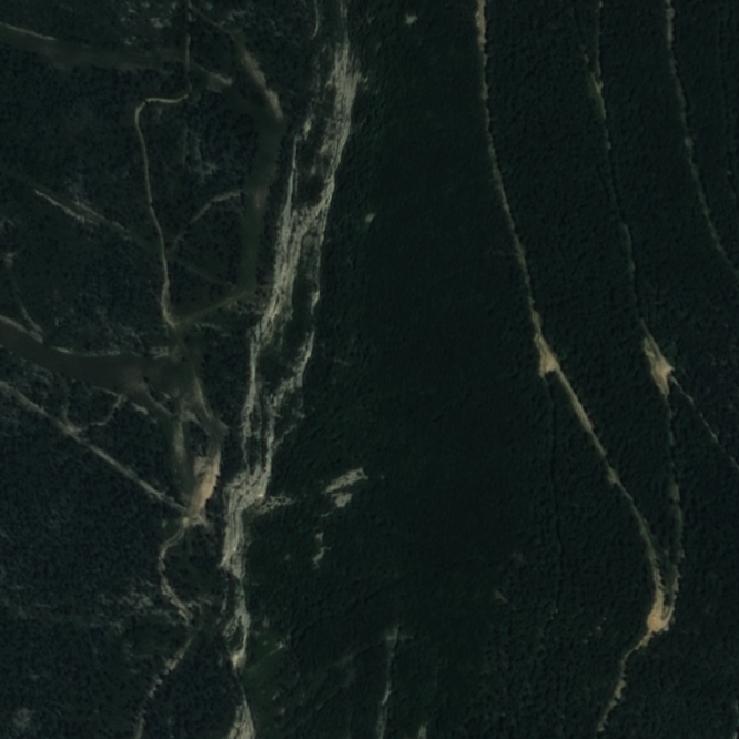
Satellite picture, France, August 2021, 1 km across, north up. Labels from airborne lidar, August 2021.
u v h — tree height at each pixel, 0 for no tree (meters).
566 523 19
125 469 0
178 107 7
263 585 6
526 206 21
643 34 22
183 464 0
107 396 6
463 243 26
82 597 8
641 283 22
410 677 22
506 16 22
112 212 9
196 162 8
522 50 23
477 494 20
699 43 19
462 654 21
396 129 18
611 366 24
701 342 21
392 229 20
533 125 23
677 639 17
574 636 20
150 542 7
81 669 8
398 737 14
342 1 15
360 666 10
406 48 24
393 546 19
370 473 9
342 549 16
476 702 7
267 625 0
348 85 12
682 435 8
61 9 6
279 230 11
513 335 24
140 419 8
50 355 0
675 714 19
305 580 21
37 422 7
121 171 7
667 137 19
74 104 7
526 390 22
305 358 6
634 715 15
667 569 21
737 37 16
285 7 8
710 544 18
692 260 21
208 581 0
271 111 0
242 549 12
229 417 6
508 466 24
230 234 10
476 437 21
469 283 24
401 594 15
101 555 7
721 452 16
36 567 8
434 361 24
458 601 20
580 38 23
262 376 7
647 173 20
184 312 0
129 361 0
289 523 15
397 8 23
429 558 13
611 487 26
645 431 25
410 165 23
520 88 18
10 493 6
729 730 17
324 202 20
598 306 25
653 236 23
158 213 7
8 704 6
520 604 18
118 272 5
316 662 13
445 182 23
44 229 11
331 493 10
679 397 9
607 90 12
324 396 20
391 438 22
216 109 17
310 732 7
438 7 23
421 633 18
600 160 23
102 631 6
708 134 18
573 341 24
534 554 23
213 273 0
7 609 7
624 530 24
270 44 8
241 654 0
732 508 23
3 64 13
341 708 7
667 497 24
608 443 24
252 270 0
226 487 14
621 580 20
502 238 26
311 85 8
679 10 19
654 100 18
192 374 0
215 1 7
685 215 21
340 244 20
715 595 19
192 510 0
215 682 8
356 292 22
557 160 23
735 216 15
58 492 7
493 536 23
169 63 6
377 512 20
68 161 7
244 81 6
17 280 0
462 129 21
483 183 22
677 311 20
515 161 24
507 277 23
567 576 20
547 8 17
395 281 21
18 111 9
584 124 23
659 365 0
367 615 20
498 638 19
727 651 21
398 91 16
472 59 23
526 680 20
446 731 23
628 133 21
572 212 23
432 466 17
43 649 5
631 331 23
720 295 18
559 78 25
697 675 16
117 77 7
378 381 19
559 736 23
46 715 7
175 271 7
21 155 9
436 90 21
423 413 26
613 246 23
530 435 20
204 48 8
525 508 23
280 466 18
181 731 7
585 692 21
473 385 21
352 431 24
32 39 0
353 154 23
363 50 11
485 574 20
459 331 22
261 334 8
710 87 16
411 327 25
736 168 19
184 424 0
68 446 9
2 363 11
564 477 24
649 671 19
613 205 26
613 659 19
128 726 0
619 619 17
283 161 7
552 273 26
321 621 20
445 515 21
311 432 22
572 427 20
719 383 21
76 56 0
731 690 17
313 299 9
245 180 7
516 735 26
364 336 20
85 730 8
